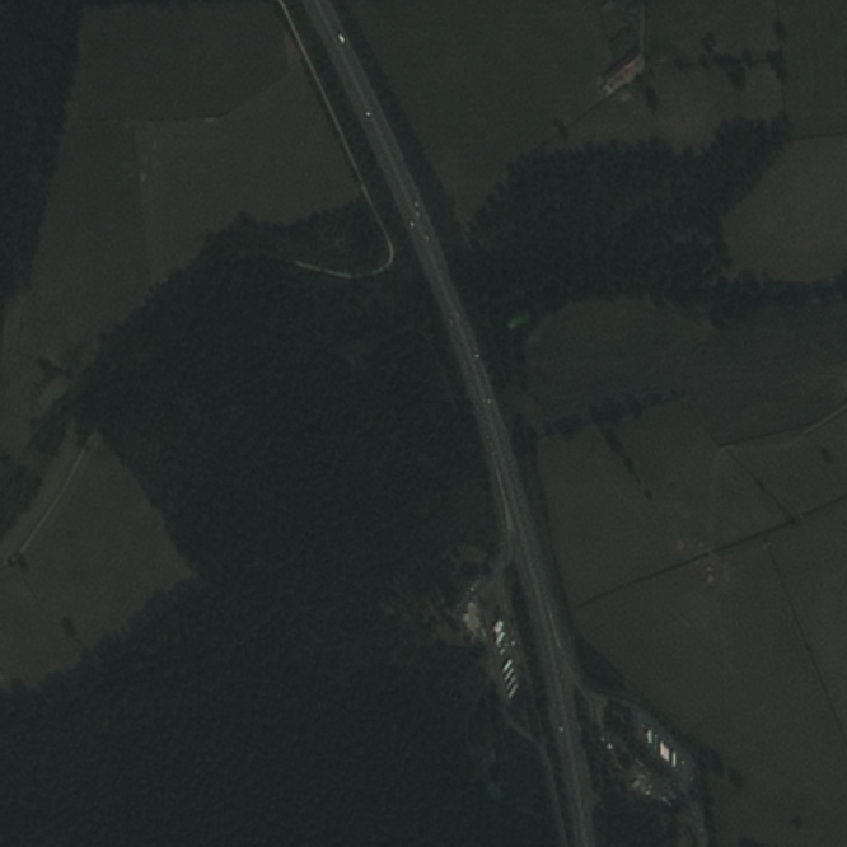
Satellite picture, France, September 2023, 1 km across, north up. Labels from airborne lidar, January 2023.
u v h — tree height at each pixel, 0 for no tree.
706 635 0
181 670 18
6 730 21
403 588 12
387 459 18
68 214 0
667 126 0
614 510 0
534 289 27
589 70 0
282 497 21
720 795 0
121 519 0
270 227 10
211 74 0
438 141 0
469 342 0
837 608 0
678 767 0
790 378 0
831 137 0
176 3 12
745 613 0
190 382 15
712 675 0
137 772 15
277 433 31
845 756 0
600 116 0
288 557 16
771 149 18
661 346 0
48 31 15
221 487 25
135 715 15
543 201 9
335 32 0
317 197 0
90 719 15
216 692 18
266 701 20
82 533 0
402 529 14
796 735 0
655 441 0
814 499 0
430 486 18
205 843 17
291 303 12
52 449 11
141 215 0
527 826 21
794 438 0
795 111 0
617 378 0
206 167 0
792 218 0
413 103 0
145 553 0
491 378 10
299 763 18
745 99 0
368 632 10
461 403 11
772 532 0
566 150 0
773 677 0
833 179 0
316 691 23
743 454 0
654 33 0
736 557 0
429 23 0
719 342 0
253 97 0
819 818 0
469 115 0
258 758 17
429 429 14
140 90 0
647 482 0
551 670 0
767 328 0
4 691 0
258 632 18
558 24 0
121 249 0
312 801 19
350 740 20
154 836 18
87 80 0
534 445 6
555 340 0
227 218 0
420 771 20
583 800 0
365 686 27
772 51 0
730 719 0
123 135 0
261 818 22
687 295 25
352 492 18
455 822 25
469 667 13
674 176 13
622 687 11
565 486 0
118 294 0
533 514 0
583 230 17
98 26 0
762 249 0
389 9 0
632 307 0
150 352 16
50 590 0
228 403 17
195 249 0
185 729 21
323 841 23
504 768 17
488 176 0
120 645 17
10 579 0
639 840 19
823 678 0
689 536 0
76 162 0
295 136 0
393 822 23
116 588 0
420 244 0
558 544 0
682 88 0
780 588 0
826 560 0
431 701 17
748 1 0
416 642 11
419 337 6
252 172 0
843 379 0
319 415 31
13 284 7
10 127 13
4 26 21
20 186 15
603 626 0
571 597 0
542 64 0
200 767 14
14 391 0
